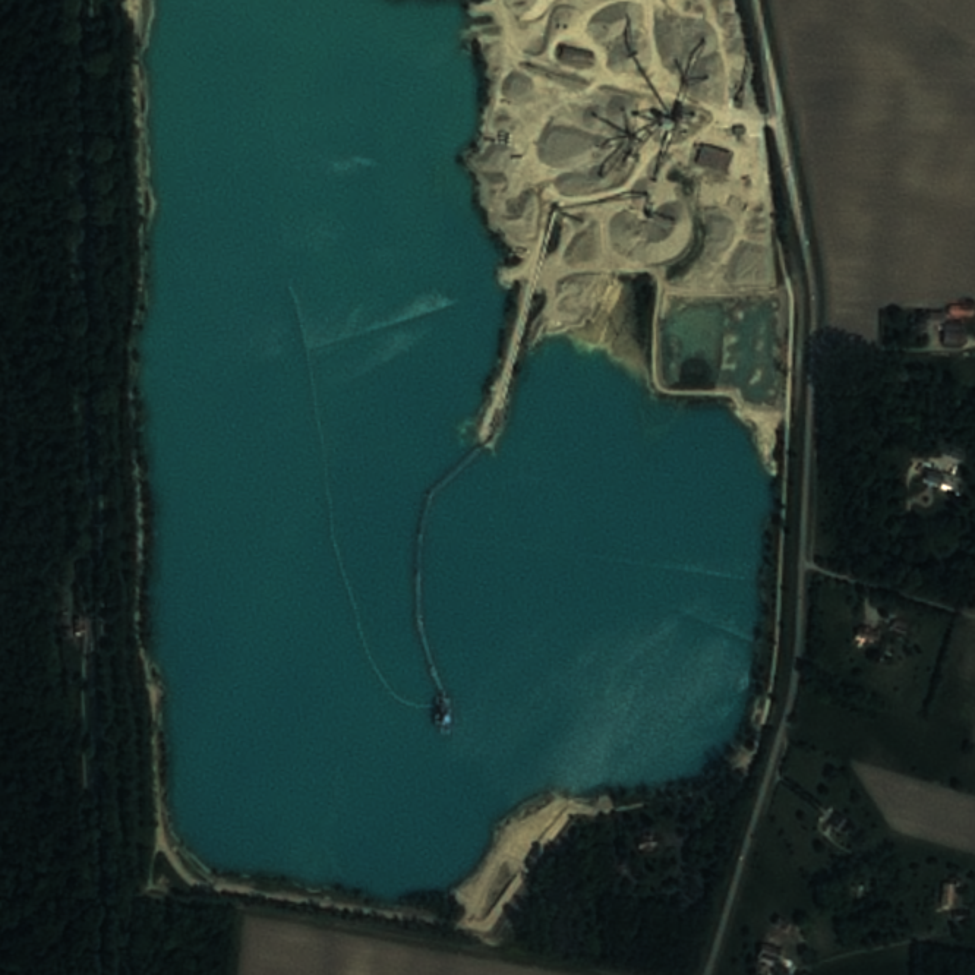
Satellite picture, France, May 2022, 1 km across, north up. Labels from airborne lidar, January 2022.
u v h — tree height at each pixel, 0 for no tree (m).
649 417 0
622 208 0
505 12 0
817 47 0
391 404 0
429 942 0
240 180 0
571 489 0
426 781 0
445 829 0
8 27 24
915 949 11
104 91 19
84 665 0
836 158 0
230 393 0
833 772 13
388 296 0
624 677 0
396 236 0
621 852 17
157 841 0
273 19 0
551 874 22
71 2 28
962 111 0
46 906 17
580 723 0
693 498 0
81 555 13
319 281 0
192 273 0
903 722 0
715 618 0
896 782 0
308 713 0
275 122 0
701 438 0
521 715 0
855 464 15
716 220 0
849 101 0
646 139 0
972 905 8
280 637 0
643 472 0
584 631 0
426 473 0
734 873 0
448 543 0
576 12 0
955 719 0
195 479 0
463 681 0
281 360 0
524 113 0
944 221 0
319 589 0
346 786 0
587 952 9
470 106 0
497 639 0
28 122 26
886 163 0
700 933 18
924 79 0
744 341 0
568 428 0
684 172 0
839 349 30
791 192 0
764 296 0
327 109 0
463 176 0
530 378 0
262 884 0
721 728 0
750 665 0
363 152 0
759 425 0
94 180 26
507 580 0
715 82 0
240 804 0
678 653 0
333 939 0
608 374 0
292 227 0
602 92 0
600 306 0
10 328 26
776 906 0
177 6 0
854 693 14
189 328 0
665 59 0
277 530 0
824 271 0
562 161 0
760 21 0
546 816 0
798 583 0
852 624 0
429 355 0
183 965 24
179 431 0
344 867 0
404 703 0
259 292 0
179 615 0
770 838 0
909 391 14
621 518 0
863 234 0
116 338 9
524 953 0
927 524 11
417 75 0
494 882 0
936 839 0
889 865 18
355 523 0
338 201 0
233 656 0
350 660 0
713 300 0
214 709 0
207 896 17
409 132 0
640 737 0
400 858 0
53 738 13
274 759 0
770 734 8
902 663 0
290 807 0
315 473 0
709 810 6
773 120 0
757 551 0
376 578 0
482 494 0
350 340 0
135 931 24
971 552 14
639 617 0
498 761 0
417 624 0
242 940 0
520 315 0
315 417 0
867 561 21
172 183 0
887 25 0
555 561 0
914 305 0
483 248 0
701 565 0
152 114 0
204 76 0
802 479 0
